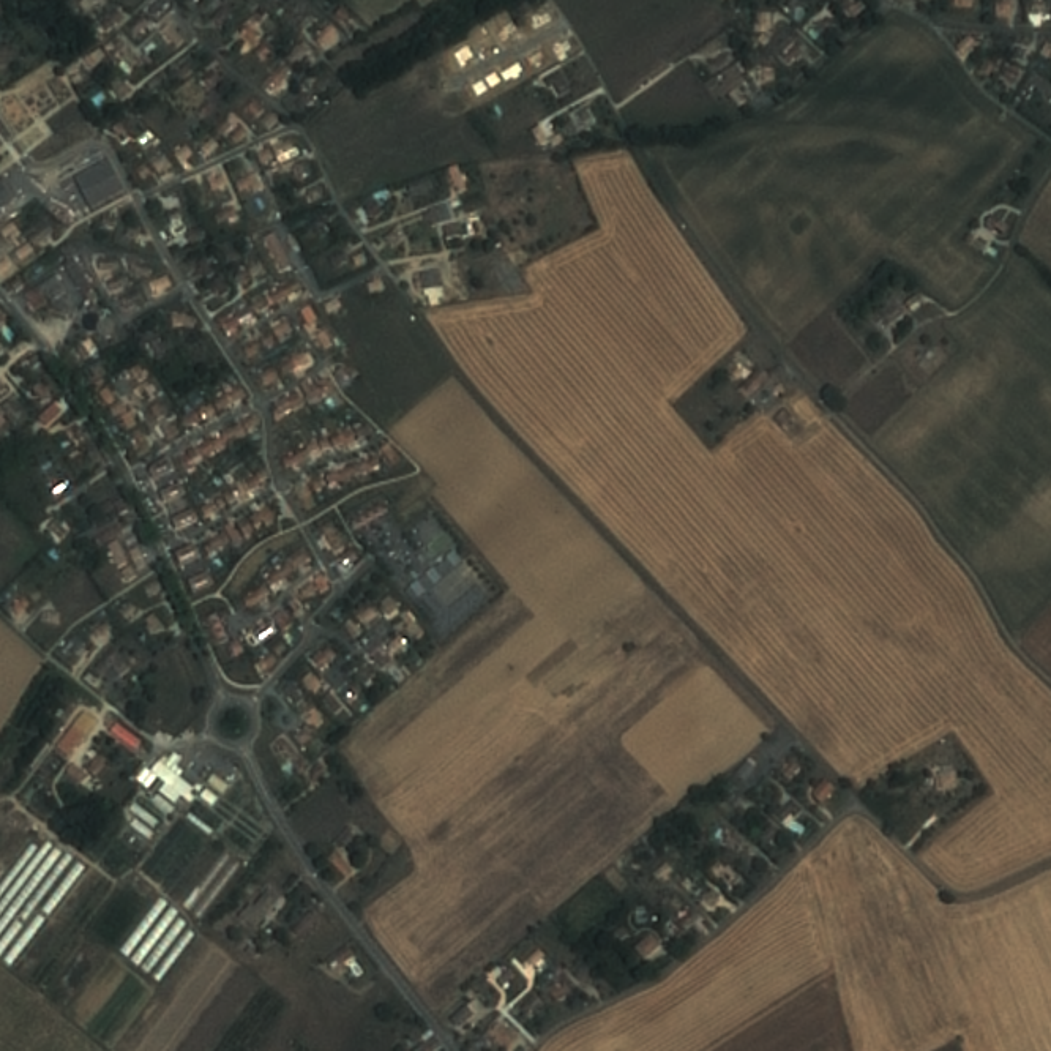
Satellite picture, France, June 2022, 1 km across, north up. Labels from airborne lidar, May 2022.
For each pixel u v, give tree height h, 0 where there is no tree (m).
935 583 0
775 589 0
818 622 0
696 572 0
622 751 0
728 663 0
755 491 0
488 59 0
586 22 0
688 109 0
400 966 0
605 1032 0
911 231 0
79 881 0
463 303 0
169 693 0
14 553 0
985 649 0
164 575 22
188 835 0
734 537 0
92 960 0
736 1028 0
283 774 0
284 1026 0
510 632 0
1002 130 0
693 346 0
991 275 0
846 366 0
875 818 0
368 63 7
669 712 0
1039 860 0
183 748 0
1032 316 0
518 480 0
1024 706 0
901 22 0
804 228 0
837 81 0
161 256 0
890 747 0
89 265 0
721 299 0
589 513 0
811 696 0
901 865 0
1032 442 0
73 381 12
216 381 6
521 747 0
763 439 0
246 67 0
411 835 0
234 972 0
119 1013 0
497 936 0
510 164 0
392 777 0
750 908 0
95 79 14
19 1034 0
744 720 0
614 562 0
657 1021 0
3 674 0
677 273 0
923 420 0
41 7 7
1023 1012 0
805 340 0
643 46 0
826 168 0
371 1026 0
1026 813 0
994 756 0
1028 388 0
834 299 0
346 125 0
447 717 0
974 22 0
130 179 6
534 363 0
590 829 0
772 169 0
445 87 0
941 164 0
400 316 0
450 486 0
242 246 8
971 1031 0
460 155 0
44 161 0
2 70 0
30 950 0
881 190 0
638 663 0
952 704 0
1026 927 0
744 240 0
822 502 0
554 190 0
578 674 0
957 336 0
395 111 0
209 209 0
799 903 0
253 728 0
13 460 9
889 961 0
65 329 0
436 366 0
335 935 0
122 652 7
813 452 0
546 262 0
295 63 7
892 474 0
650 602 0
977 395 0
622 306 0
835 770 0
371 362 0
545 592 0
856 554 0
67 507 6
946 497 0
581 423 0
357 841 12
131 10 7
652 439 0
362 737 0
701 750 0
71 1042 0
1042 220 0
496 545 0
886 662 0
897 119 0
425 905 0
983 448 0
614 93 0
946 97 0
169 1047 0
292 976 0
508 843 0
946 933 0
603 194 0
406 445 0
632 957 15
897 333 7
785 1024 0
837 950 0
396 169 0
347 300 0
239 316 0
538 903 0
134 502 20
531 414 0
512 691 0
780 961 0
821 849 0
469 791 0
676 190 0
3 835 0
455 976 0
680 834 7
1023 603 0
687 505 0
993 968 0
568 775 0
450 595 0
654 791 0
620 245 0
